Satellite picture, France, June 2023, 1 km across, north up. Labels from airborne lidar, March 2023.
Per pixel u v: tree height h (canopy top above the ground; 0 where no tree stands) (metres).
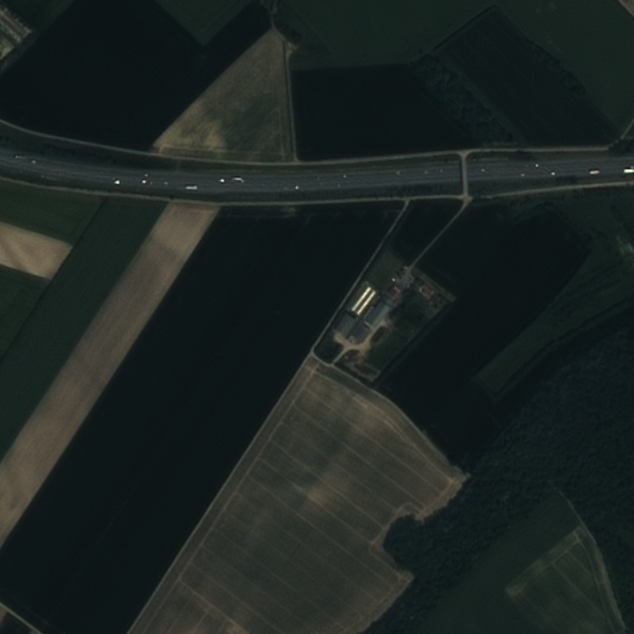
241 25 0
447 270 0
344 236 0
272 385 0
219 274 0
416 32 0
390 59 0
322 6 0
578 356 14
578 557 0
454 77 19
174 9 0
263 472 0
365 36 0
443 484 0
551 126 0
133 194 0
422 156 0
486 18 0
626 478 12
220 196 0
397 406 0
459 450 0
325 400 0
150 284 0
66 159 0
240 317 0
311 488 0
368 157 0
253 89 0
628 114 0
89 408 0
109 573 0
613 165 0
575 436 13
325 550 0
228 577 0
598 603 0
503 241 0
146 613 0
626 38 0
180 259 0
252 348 0
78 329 0
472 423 0
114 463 0
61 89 0
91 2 0
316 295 0
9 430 0
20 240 0
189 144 0
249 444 0
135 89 0
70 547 0
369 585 0
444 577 13
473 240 0
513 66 0
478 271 0
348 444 0
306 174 0
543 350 6
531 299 0
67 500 0
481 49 0
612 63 0
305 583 0
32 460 0
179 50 0
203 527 0
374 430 0
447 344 0
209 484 0
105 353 0
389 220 0
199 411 0
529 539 0
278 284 0
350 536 0
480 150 0
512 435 14
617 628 0
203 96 0
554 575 0
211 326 0
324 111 0
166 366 0
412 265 0
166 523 0
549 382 7
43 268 0
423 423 0
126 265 0
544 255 0
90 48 0
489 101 0
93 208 0
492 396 8
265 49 0
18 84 0
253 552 0
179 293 0
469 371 0
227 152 0
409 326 0
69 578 0
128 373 0
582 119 0
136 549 0
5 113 0
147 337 0
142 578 0
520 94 0
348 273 0
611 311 8
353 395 0
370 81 0
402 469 0
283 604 0
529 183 0
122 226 0
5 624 0
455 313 0
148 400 0
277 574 0
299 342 0
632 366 22
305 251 0
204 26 0
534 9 0
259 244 0
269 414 0
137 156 0
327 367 0
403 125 0
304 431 0
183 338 0
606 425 25
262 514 0
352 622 0
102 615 0
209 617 0
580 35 0
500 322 0
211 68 0
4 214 0
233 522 0
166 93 0
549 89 0
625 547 9
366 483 0
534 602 0
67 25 0
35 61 0
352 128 0
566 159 0
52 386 0
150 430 0
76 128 0
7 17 0
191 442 0
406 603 19
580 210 0
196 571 0
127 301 0
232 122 0
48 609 0
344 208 0
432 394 0
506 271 0
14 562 0
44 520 0
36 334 0
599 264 0
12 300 0
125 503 0
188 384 0
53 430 0
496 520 14
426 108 0
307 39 0
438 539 22
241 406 0
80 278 0
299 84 0
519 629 0
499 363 0
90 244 0
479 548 20
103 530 0
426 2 0
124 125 0
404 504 0
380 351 0
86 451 0
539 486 13
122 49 0
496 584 0
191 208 0
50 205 0
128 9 0
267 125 0
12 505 0
